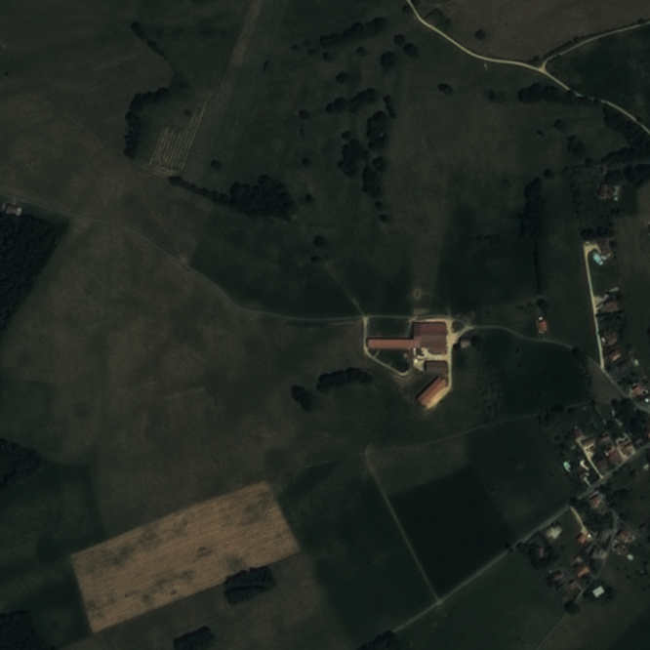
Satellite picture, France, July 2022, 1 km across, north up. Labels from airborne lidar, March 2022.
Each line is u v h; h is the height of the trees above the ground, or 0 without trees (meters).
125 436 0
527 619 0
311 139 0
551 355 0
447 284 0
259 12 0
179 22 0
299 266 0
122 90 0
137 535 0
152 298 0
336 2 0
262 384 0
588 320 0
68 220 0
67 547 0
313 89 0
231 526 0
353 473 0
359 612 0
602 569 0
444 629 0
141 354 0
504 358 0
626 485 0
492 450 0
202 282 0
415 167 0
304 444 0
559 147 0
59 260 0
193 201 0
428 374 0
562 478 0
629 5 0
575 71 0
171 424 0
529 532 0
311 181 0
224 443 0
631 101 0
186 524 0
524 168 0
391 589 0
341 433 0
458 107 0
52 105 0
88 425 0
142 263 0
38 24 0
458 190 0
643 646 0
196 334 0
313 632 0
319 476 0
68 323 0
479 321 0
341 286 0
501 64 0
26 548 0
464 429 0
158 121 0
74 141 0
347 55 0
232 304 0
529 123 0
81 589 0
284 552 0
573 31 0
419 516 0
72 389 0
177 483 0
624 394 0
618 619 0
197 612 0
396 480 0
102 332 0
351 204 0
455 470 0
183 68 0
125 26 0
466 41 0
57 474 0
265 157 0
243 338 0
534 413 0
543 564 5
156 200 0
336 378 15
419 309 0
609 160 9
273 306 0
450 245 0
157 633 0
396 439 0
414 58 12
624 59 0
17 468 23
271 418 0
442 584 0
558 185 0
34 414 0
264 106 0
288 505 0
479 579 0
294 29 0
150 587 0
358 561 0
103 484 0
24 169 0
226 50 0
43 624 0
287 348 0
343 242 0
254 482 0
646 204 0
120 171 0
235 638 0
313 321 0
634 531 0
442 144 0
